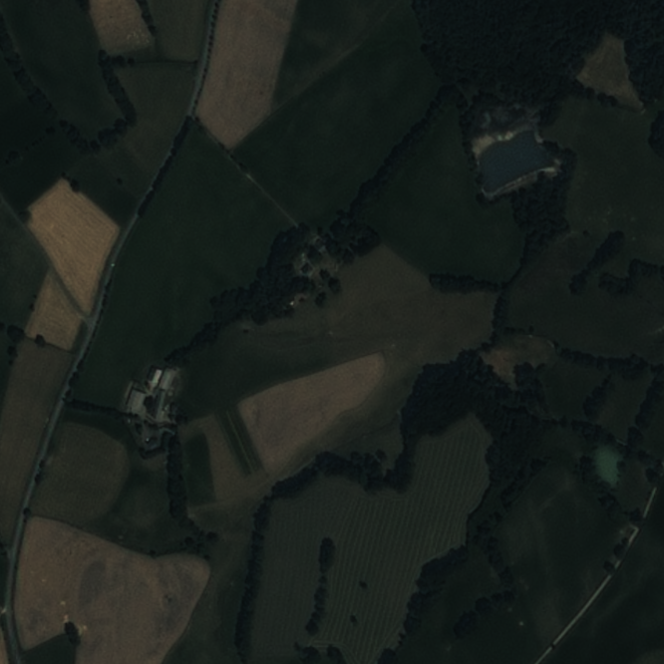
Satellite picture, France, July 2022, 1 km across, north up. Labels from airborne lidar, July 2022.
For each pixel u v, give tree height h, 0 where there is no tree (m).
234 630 0
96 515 0
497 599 17
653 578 0
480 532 13
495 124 0
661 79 19
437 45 16
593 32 31
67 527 0
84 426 0
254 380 0
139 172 0
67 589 0
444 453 0
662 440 0
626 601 0
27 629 0
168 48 0
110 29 0
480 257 0
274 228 0
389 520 0
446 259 0
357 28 0
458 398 28
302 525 0
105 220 0
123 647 0
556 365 0
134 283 0
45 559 0
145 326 0
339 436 0
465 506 0
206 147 0
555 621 0
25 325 0
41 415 0
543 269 0
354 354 0
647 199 0
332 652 18
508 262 0
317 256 24
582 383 0
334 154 0
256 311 17
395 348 0
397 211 0
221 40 0
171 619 0
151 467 0
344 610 0
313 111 0
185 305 0
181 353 16
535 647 0
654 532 0
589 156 0
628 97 0
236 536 0
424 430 20
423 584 18
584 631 0
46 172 0
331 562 18
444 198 0
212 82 0
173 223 0
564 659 0
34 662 0
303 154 0
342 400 0
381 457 20
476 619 20
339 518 0
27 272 0
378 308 0
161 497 0
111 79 19
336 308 0
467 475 0
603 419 0
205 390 0
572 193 0
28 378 0
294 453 0
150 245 0
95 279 0
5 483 0
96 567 0
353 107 0
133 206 0
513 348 0
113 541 0
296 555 0
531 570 0
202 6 0
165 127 0
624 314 0
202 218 0
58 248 0
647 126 0
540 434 15
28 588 0
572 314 0
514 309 0
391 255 0
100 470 0
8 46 23
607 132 0
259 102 0
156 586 0
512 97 14
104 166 0
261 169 0
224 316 9
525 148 0
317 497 0
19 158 14
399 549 0
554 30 29
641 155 0
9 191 0
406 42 0
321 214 0
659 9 19
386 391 0
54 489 0
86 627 0
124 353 0
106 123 0
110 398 0
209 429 0
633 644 0
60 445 0
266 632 0
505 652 0
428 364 0
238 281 0
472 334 0
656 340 0
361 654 0
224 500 0
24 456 0
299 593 0
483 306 0
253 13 0
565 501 0
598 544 0
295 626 0
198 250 0
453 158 0
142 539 0
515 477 8
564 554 0
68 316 0
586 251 0
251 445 0
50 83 0
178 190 0
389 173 23
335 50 0
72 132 20
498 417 27
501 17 25
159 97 0
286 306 11
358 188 0
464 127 15
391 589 0
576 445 0
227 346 0
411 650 0
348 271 0
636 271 24
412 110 0
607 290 8
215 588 0
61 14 0
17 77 17
